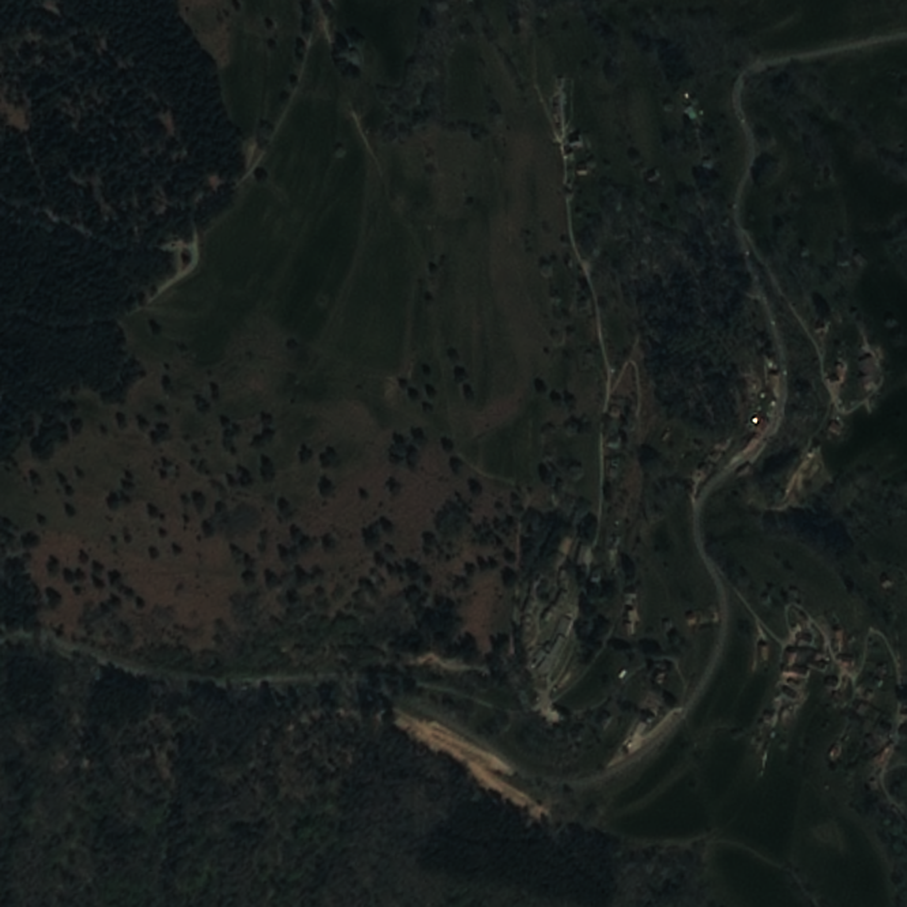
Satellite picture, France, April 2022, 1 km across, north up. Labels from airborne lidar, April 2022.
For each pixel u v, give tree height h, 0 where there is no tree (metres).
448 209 0
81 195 25
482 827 25
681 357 28
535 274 0
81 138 14
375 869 20
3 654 22
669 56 36
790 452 15
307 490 0
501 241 0
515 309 0
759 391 0
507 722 18
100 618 19
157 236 18
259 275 0
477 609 0
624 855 23
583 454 0
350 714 32
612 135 0
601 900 25
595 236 22
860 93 0
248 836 30
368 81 0
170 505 0
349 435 0
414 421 0
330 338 0
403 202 0
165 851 29
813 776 0
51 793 24
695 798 0
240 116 0
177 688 18
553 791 17
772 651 0
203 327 0
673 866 27
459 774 23
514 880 23
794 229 6
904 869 15
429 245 0
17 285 25
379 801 29
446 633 23
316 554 0
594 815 21
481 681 16
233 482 18
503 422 0
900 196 0
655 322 23
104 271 24
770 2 0
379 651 9
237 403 0
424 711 0
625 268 20
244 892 29
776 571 0
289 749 34
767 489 21
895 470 0
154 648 7
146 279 22
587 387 0
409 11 0
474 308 0
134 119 23
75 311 22
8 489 0
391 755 28
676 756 0
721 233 28
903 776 8
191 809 27
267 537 9
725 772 0
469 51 0
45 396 21
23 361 19
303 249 0
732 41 23
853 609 0
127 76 13
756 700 0
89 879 21
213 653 8
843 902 0
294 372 0
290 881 22
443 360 0
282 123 0
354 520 0
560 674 0
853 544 26
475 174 0
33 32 7
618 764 0
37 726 26
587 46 0
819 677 0
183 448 0
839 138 0
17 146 15
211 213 21
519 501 13
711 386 27
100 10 26
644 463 20
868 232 0
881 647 7
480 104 0
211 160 26
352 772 29
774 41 0
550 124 0
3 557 16
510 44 0
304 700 27
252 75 0
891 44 0
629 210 21
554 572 16
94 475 0
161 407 7
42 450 20
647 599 0
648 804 0
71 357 22
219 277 0
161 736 29
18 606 24
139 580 0
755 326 7
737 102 0
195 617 9
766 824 0
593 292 17
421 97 6
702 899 30
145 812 27
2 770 23
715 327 34
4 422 19
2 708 28
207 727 26
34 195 15
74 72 25
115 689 24
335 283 0
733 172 0
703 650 0
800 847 0
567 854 29
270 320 0
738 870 0
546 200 0
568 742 11
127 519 0
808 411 17
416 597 14
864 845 0
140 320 0
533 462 0
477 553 0
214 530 12
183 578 0
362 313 0
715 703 0
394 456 10
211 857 28
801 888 13
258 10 0
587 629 18
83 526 0
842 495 23
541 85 0
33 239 23
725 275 18
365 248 0
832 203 0
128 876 31
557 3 23
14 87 25
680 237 18
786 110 16
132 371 15
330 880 30
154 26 31
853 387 0
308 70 0
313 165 0
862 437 0
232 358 0
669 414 16
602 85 0
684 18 21
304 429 0
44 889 28
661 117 0
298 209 0
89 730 12
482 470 0
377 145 0
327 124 0
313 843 29
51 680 29
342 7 0
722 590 0
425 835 25
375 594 9
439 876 20
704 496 0
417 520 0
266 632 15
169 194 25
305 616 15
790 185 0
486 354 0
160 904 29
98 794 23
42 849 25
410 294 0
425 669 11
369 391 0
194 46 25
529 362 0
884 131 0
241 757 25
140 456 0
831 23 0
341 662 6
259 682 0
